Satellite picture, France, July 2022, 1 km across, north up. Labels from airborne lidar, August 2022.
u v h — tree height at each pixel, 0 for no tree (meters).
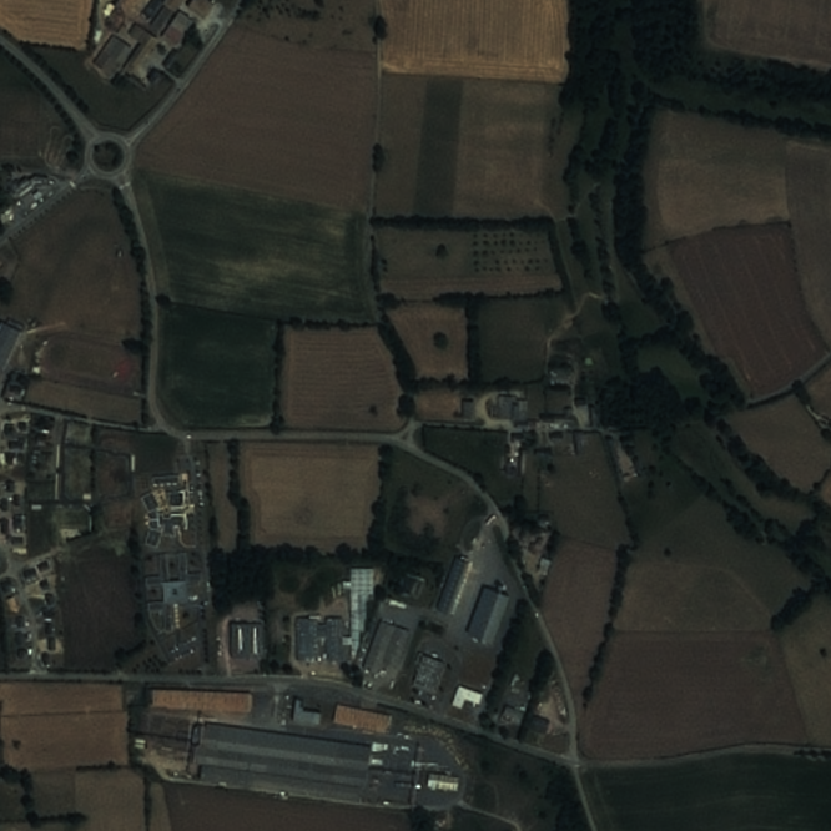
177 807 0
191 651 0
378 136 0
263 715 0
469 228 13
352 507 0
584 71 8
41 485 0
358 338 0
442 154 0
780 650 0
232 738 0
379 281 8
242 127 0
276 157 0
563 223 0
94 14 6
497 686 9
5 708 0
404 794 0
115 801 0
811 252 0
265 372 0
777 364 0
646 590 0
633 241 10
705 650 0
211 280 0
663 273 0
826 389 0
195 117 0
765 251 0
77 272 0
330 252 0
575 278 0
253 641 0
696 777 0
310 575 0
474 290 0
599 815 0
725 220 0
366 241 0
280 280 0
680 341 13
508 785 0
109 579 0
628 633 0
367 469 0
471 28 0
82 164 0
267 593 20
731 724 0
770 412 0
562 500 0
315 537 0
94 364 0
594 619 0
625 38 0
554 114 0
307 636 0
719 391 23
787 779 0
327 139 0
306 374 0
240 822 0
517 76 0
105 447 0
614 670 0
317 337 0
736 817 0
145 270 11
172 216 0
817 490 9
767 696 0
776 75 16
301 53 0
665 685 0
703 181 0
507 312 0
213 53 0
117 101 0
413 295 0
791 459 0
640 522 0
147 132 0
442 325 0
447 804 0
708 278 0
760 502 0
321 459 0
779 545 7
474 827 0
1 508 0
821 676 0
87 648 0
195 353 0
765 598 0
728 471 0
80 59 0
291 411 0
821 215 0
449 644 0
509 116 0
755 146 0
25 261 0
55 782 0
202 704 0
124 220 12
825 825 0
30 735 0
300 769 0
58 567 0
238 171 0
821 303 0
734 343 0
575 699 0
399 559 10
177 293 0
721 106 0
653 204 0
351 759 0
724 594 0
